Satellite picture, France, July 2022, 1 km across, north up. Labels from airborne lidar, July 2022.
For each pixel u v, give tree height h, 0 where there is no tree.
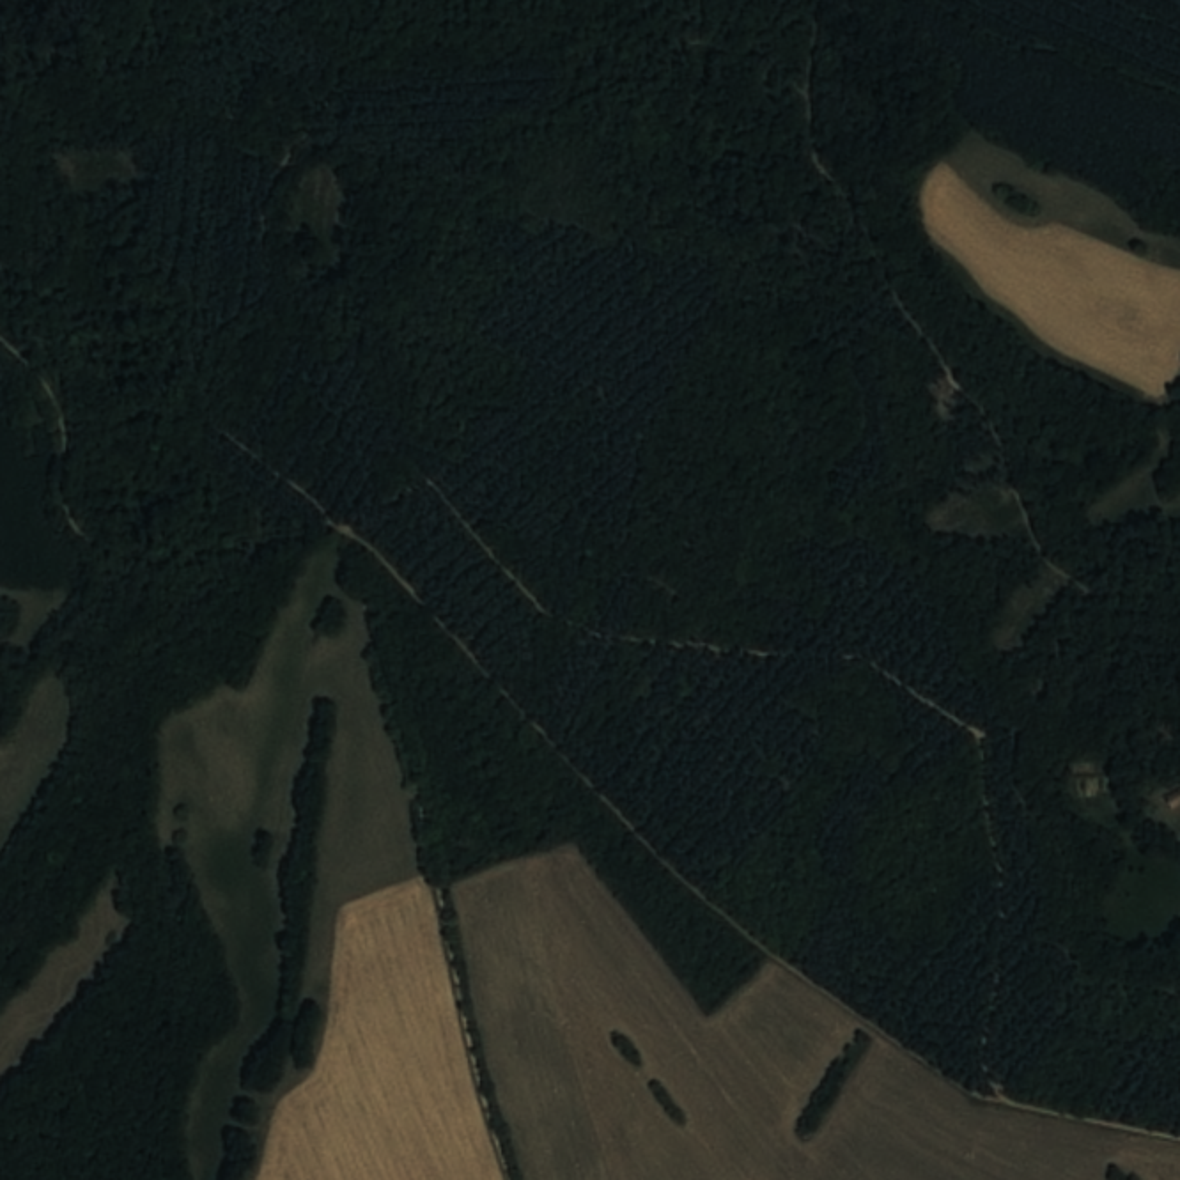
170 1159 20
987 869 10
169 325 17
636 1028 0
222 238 13
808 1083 0
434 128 14
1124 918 0
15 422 15
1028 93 12
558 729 12
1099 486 22
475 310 9
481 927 0
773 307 17
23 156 23
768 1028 0
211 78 16
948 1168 0
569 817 11
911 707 11
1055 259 0
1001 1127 0
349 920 0
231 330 15
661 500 12
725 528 14
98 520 24
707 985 8
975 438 15
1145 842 13
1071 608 11
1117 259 0
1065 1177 0
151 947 20
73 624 20
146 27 18
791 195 20
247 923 0
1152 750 17
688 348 12
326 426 14
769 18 17
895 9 15
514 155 7
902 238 27
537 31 11
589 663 12
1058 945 10
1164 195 18
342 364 15
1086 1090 11
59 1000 0
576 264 9
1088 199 0
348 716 0
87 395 22
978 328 20
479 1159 0
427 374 13
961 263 0
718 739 10
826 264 18
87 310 10
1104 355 0
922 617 10
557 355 11
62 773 18
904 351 13
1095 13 12
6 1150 17
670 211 14
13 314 18
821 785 11
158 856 21
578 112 12
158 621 21
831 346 10
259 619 22
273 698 0
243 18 17
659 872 10
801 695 12
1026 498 15
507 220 9
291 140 16
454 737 12
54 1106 19
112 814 26
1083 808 7
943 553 19
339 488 13
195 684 20
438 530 13
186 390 12
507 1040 0
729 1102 0
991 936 12
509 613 15
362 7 12
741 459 13
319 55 16
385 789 0
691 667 11
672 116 22
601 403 11
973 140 0
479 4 16
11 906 18
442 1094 0
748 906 11
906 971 12
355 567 18
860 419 16
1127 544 13
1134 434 18
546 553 8
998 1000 9
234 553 17
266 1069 17
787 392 16
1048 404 18
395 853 0
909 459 9
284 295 17
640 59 8
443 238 11
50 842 23
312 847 13
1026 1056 11
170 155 17
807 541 8
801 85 11
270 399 13
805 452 18
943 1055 12
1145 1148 0
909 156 17
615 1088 0
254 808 0
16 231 18
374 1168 0
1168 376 0
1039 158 12
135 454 12
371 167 12
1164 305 0
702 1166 0
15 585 8
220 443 12
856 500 12
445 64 12
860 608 11
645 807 11
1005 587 20
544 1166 0
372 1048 0
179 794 0
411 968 0
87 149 17
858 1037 9
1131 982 16
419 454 13
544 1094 0
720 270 9
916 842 6
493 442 11
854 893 11
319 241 18
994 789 13
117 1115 24
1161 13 12
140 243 16
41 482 7
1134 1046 13
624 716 10
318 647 0
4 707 12
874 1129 0
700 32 19
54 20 29
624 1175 0
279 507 14
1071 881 15
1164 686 20
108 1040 21
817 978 9
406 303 15
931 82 21
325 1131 0
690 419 13
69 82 16
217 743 0
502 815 11
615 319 11
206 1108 0
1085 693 18
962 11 14
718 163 8
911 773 11
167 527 21
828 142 13
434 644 15
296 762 0
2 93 12
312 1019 18
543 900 0
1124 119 12
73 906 21
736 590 15
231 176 12
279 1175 0
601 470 11
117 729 26
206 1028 24
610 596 10
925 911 7
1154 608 18
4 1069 0
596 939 0
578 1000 0
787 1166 0
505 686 11
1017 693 18
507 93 13
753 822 10
